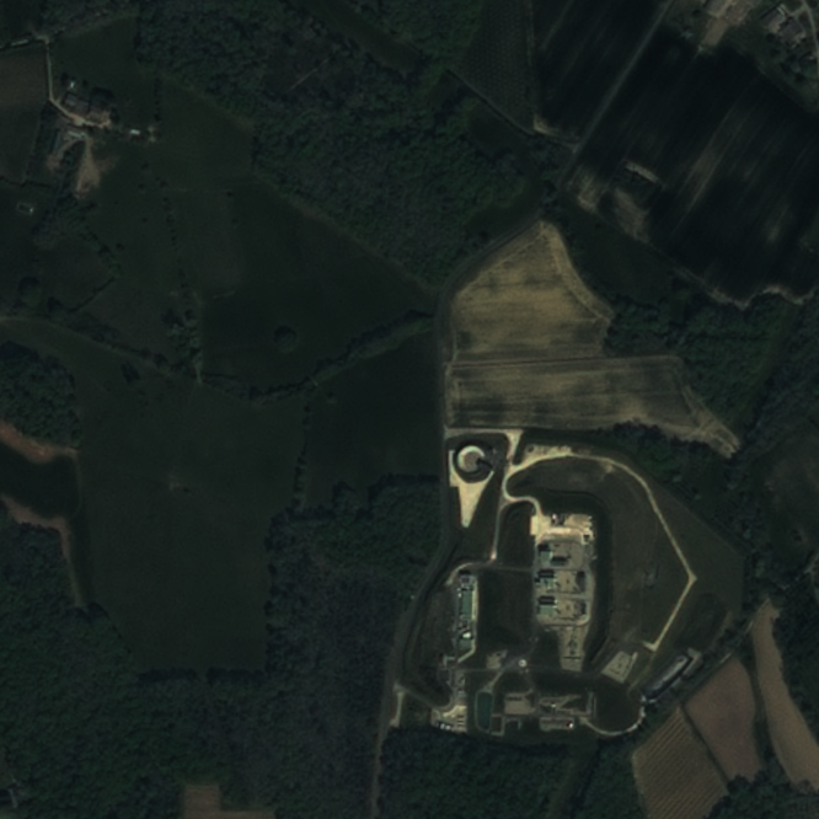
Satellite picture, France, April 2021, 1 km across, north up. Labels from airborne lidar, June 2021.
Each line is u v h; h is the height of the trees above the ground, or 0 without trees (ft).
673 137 0
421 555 57
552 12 0
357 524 64
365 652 52
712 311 75
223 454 0
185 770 76
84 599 0
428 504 66
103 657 75
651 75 0
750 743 0
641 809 55
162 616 0
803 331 52
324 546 72
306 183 76
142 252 0
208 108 0
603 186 0
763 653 0
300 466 31
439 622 0
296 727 63
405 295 0
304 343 0
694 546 0
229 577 0
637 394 0
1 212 0
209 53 69
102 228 0
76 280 0
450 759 67
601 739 0
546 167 55
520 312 0
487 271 0
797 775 0
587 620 0
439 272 52
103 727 67
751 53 0
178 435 0
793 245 0
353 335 0
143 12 57
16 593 72
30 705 91
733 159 0
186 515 0
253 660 0
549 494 0
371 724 62
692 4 0
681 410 0
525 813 71
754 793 68
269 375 0
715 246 0
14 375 81
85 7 59
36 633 93
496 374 0
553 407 0
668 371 0
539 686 0
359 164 68
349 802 56
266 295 0
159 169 0
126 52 0
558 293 0
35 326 0
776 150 0
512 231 0
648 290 0
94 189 0
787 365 49
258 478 0
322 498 0
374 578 63
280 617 55
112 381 0
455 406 0
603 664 0
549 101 0
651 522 0
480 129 0
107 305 0
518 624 0
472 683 0
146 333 0
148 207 0
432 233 59
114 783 88
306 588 56
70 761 65
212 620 0
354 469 0
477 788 75
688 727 0
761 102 0
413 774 65
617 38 0
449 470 0
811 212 0
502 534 0
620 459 0
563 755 59
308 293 0
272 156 93
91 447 0
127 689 81
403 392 0
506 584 0
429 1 72
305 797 65
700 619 0
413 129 59
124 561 0
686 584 0
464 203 62
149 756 104
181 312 0
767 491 0
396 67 0
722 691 0
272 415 0
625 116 0
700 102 0
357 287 0
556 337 0
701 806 0
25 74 0
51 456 0
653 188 45
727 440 0
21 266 0
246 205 0
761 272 0
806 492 0
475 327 0
